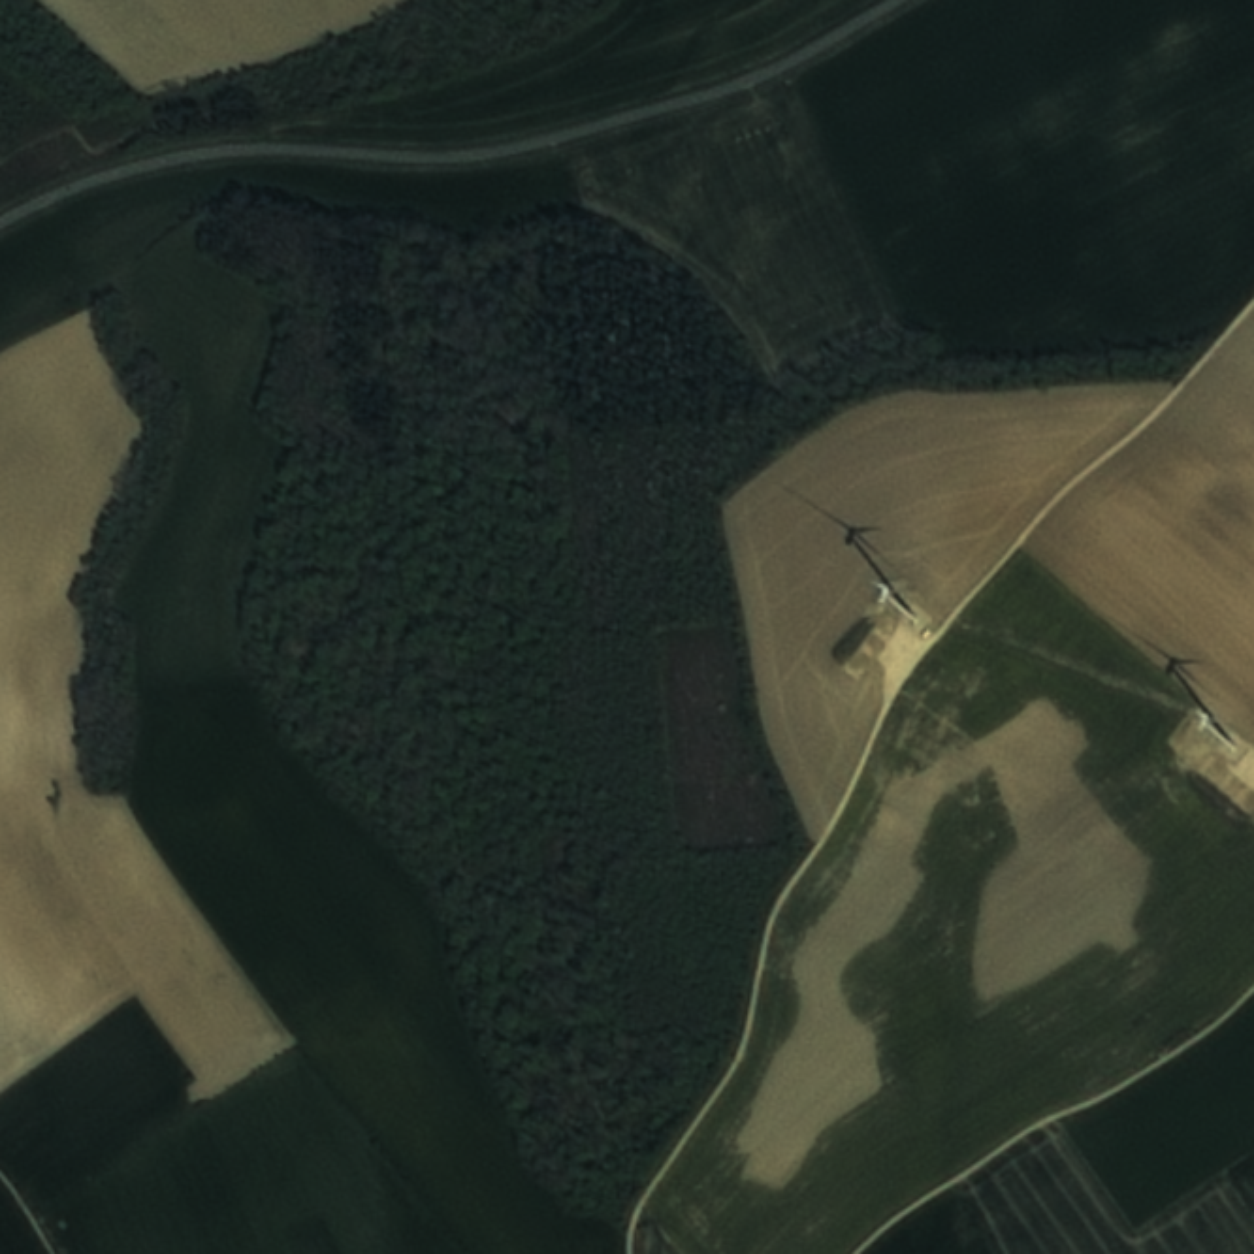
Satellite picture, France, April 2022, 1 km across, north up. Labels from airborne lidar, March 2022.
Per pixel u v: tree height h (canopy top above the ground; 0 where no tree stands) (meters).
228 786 0
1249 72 0
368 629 23
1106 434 0
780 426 18
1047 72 0
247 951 0
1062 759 0
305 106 6
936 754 0
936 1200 0
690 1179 0
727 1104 0
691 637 0
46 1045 0
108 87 22
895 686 0
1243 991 0
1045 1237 0
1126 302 0
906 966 0
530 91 0
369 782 22
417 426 20
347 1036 0
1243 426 0
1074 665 0
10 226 0
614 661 12
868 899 0
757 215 0
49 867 0
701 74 0
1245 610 0
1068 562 0
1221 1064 0
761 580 0
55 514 0
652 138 0
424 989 0
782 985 0
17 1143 0
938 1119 0
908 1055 0
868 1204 0
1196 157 0
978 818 0
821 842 0
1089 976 0
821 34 0
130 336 19
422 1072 0
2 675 0
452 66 20
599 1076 27
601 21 13
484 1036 16
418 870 15
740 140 0
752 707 11
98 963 0
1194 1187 0
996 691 0
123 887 0
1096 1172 0
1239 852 0
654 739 13
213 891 0
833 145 0
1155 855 0
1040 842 0
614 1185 15
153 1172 0
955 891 0
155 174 0
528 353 16
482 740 7
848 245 0
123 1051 0
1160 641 0
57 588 0
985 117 0
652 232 0
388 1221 0
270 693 17
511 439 27
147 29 0
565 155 0
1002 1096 0
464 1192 0
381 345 14
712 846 0
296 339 15
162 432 17
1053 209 0
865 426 0
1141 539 0
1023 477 0
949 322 0
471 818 22
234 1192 0
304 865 0
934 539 0
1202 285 0
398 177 0
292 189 0
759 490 0
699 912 9
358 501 23
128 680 12
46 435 0
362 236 19
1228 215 0
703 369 27
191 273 0
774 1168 0
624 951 13
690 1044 17
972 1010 0
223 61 0
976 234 0
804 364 0
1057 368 19
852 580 0
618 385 30
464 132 0
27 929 0
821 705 0
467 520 22
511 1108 13
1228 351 0
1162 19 0
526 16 20
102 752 18
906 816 0
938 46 0
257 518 0
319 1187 0
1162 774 0
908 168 0
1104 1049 0
